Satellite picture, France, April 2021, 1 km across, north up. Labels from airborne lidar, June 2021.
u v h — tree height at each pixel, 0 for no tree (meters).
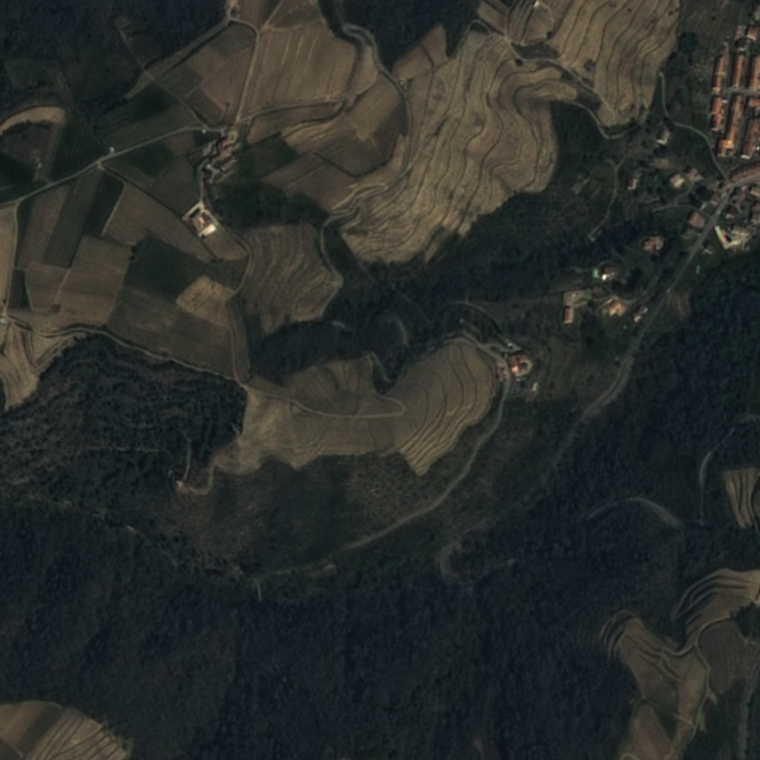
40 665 17
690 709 0
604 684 13
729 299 10
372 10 9
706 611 0
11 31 11
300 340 13
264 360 11
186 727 20
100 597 6
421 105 0
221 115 0
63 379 11
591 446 27
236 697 19
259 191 0
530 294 13
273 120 0
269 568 9
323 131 0
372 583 17
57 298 0
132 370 5
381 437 0
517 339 11
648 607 9
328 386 0
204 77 0
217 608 23
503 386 0
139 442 9
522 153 0
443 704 17
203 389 10
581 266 11
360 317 16
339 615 13
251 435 0
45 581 12
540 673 24
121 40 9
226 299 0
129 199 0
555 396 10
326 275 0
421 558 9
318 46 0
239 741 18
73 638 19
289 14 0
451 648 13
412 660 22
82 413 8
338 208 0
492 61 0
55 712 0
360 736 14
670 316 0
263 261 0
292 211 0
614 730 12
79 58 7
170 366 11
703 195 15
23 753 0
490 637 27
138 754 12
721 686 0
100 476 10
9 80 8
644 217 10
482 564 22
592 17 0
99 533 27
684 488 8
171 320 0
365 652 18
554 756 11
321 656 14
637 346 0
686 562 22
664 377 12
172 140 0
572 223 11
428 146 0
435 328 15
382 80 0
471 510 13
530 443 12
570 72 0
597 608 18
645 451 9
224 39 0
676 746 0
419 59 0
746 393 12
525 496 23
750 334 11
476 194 0
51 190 0
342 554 12
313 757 15
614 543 17
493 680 24
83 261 0
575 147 0
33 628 20
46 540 6
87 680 14
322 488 8
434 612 18
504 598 12
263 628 9
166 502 10
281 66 0
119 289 0
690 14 0
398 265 8
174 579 20
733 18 0
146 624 8
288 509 5
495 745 10
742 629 7
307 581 11
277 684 9
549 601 18
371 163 0
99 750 0
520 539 27
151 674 8
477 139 0
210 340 0
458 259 17
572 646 23
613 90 0
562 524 17
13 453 8
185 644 15
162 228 0
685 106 10
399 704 16
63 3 11
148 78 0
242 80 0
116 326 0
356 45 0
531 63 0
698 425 18
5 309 0
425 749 19
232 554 7
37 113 0
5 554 15
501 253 19
